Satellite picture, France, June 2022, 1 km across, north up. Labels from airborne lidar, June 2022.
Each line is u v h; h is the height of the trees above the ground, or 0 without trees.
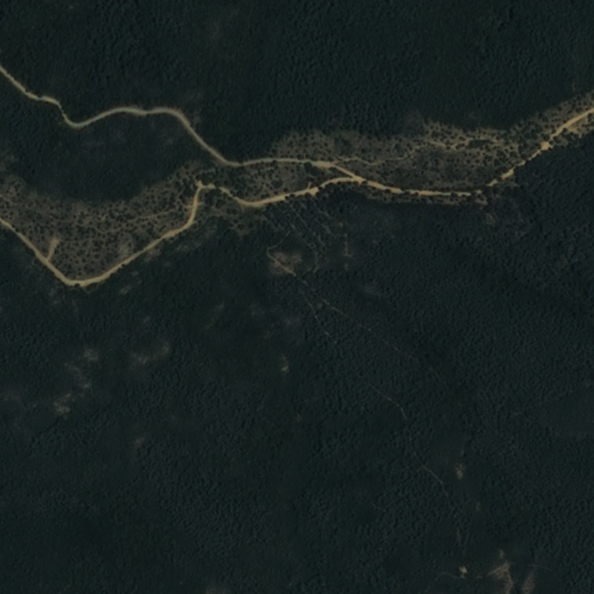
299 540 6
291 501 6
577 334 15
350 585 8
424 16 6
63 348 6
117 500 10
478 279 13
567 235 16
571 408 11
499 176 10
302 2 19
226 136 14
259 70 5
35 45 12
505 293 14
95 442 12
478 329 12
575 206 15
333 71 8
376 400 15
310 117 10
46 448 11
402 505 13
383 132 12
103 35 8
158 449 18
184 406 12
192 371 6
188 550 11
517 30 11
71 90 6
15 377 6
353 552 8
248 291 5
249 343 6
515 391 12
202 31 6
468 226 15
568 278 6
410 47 16
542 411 12
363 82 11
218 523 11
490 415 12
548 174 16
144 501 7
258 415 10
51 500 6
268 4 17
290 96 11
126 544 11
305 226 14
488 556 7
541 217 17
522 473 13
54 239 0
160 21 12
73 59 5
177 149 6
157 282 8
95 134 6
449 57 9
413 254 13
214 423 11
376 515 6
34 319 7
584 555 15
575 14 10
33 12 9
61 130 7
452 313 9
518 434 13
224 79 6
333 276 15
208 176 8
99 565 10
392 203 7
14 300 6
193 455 6
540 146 11
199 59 7
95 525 9
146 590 7
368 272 6
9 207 5
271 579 6
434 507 12
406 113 13
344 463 6
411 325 11
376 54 10
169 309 9
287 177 0
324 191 11
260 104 8
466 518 6
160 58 7
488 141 8
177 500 13
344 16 15
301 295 13
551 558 5
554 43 10
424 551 9
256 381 7
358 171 7
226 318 10
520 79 11
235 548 7
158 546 11
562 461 13
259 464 6
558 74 6
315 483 7
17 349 9
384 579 14
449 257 13
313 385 7
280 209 12
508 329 14
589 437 9
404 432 14
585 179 17
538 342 12
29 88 7
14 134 13
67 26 11
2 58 9
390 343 10
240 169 7
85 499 10
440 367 10
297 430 6
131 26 15
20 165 7
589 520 12
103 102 9
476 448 9
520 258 17
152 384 10
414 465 13
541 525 14
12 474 9
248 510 6
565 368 7
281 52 7
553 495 14
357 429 11
